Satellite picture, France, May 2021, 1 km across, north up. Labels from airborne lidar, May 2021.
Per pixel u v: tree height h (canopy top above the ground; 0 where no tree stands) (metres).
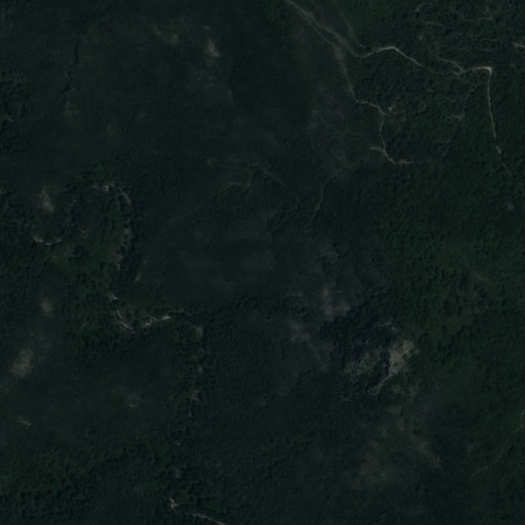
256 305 9
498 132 13
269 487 8
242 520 10
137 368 7
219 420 7
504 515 9
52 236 13
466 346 17
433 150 9
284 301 9
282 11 8
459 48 7
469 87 12
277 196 7
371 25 6
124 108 7
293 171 9
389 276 6
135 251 14
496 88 12
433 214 15
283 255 6
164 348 13
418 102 16
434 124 9
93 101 5
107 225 17
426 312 14
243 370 7
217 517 25
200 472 17
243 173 6
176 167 11
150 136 6
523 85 12
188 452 8
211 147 6
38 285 10
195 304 10
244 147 6
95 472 23
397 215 8
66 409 6
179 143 8
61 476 18
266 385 7
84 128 5
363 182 7
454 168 23
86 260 15
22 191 7
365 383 18
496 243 20
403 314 9
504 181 13
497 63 7
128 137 8
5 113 5
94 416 9
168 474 19
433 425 7
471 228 15
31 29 6
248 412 6
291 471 6
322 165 6
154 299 7
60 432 6
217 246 7
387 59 9
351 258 7
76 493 14
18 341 6
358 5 6
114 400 6
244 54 6
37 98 7
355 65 6
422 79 9
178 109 7
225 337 13
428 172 12
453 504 6
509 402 11
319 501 6
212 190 6
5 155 8
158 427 7
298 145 5
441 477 10
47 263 10
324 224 10
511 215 18
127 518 8
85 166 7
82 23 7
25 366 0
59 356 7
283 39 8
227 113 6
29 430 8
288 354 7
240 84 7
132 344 9
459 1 9
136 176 12
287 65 6
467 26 12
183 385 9
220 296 6
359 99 8
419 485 10
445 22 8
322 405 9
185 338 14
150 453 14
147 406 9
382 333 13
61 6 8
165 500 15
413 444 0
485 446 7
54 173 6
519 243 8
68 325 16
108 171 7
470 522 6
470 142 18
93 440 9
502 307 17
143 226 10
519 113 17
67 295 8
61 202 8
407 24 7
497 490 6
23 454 8
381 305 12
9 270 8
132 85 7
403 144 20
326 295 0
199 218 5
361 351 9
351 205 8
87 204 14
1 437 8
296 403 7
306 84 5
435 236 17
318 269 0
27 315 8
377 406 10
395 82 10
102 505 7
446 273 10
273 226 7
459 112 10
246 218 8
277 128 6
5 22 7
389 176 6
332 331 15
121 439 14
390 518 6
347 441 9
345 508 7
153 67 6
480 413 8
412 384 7
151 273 6
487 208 17
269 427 6
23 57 6
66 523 12
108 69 7
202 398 20
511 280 8
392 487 6
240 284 6
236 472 8
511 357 12
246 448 9
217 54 0
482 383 7
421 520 5
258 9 8
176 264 8
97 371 7
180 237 8
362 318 10
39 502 25
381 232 6
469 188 18
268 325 6
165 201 6
